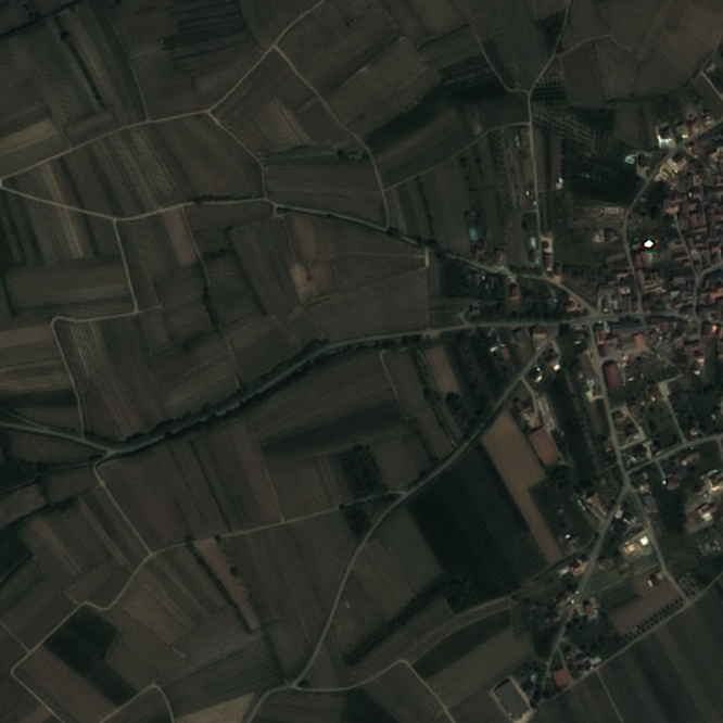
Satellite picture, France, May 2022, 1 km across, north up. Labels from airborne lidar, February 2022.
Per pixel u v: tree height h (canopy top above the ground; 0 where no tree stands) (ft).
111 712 0
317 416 0
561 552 0
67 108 0
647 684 0
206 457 0
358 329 0
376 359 0
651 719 0
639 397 0
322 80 0
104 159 0
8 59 0
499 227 0
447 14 0
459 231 0
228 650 0
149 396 0
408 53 0
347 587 0
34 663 0
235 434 0
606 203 0
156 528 0
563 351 0
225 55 0
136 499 0
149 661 0
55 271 0
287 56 0
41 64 0
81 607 0
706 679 0
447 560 0
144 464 0
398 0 0
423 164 0
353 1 0
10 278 0
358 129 0
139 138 0
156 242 0
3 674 0
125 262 0
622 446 0
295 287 0
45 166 0
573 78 0
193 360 0
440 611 0
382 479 0
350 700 0
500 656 0
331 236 0
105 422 0
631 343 0
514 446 0
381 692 0
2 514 0
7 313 0
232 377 0
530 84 0
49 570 0
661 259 0
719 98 0
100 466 0
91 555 0
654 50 0
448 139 0
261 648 0
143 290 0
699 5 0
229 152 0
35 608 0
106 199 0
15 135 0
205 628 0
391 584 0
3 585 0
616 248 0
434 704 0
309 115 0
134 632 0
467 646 0
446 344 0
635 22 0
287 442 0
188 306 0
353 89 0
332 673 0
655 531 0
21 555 0
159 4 0
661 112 0
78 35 0
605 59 0
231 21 0
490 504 0
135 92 0
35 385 0
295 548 0
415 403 0
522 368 0
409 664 0
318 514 0
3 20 0
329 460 0
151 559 0
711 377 0
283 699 0
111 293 0
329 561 0
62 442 0
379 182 0
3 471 0
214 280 0
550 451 0
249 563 0
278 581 0
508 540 0
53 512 0
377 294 0
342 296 0
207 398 0
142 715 0
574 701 0
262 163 0
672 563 0
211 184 0
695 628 0
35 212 0
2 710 0
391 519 0
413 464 0
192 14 0
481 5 0
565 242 0
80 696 0
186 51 0
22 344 0
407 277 0
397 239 35
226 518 0
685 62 0
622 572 0
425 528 0
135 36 0
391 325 0
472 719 0
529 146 0
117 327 0
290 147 0
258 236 0
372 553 0
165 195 0
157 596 0
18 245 0
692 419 23
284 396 0
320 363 26
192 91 0
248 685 0
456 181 0
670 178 0
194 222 0
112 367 0
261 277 0
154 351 0
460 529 0
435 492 0
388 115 0
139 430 0
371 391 0
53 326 0
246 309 0
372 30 0
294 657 0
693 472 30
